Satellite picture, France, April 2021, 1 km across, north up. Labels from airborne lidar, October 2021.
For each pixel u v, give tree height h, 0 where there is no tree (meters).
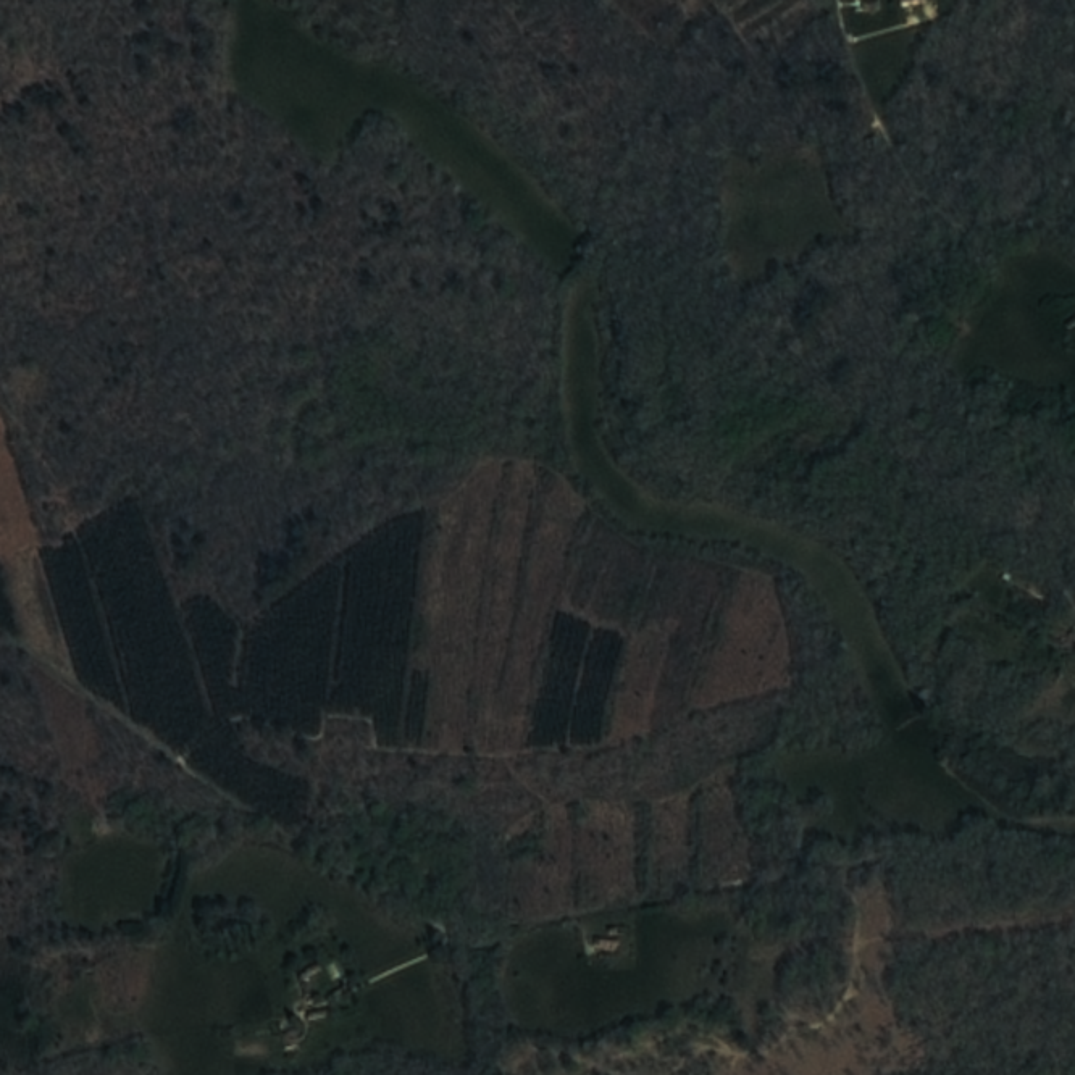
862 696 14
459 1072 13
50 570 12
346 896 0
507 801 10
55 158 13
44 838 18
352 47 13
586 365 0
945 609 16
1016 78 18
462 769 10
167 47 17
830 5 16
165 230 9
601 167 11
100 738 7
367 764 10
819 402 24
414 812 12
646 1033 19
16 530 0
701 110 13
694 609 10
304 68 0
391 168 11
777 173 0
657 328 19
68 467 14
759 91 17
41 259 7
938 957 16
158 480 20
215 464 14
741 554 15
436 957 19
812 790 0
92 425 10
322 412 26
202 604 10
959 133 14
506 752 0
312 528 18
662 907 6
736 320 16
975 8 12
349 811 23
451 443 26
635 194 18
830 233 0
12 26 15
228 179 9
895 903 16
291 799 11
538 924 0
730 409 24
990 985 16
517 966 0
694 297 21
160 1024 0
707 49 20
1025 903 21
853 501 19
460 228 10
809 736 17
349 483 11
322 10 17
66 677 0
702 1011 9
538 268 13
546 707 6
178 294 10
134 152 9
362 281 8
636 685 0
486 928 22
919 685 18
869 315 17
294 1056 7
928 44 23
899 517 21
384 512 8
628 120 12
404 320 16
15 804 17
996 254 8
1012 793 9
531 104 16
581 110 12
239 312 16
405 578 9
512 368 14
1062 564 20
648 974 0
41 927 14
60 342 18
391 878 23
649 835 8
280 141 8
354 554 11
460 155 0
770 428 22
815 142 21
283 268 15
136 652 11
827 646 14
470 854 20
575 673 6
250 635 8
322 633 9
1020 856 20
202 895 0
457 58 14
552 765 8
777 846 16
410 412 27
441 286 16
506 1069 25
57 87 10
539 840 7
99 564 13
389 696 7
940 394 16
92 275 14
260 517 12
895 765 0
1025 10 15
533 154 24
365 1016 0
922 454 21
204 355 13
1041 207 20
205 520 13
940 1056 19
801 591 21
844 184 15
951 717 22
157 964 0
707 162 18
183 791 10
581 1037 7
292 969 15
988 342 0
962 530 21
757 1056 13
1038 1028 20
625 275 19
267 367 16
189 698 11
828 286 20
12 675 12
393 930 0
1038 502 25
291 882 0
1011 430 7
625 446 9
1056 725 13
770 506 17
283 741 21
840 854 23
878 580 17
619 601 8
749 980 0
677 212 17
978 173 17
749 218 0
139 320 7
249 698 10
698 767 9
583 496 10
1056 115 22
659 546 8
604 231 20
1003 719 17
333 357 23
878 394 19
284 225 10
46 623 0
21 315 8
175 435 16
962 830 14
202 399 14
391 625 9
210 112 11
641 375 21
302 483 10
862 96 15
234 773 10
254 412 16
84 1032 0
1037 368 0
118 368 9
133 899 0
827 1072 0
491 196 0
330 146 0
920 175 18
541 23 6
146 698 10
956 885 21
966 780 8
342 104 0
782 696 11
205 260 15
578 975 0
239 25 0
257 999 0
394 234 17
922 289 24
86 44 11
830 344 21
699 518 0
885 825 11
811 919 16
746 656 7
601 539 6
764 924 22
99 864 0
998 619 8
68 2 12
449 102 9
